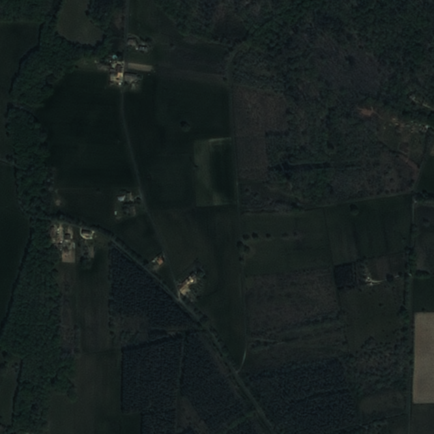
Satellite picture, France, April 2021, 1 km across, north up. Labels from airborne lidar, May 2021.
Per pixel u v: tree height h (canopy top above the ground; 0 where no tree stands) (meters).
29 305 16
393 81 17
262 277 0
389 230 0
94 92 0
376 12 14
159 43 0
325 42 13
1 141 0
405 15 14
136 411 17
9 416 0
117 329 8
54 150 0
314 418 17
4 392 0
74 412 0
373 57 6
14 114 21
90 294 0
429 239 0
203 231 0
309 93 15
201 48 0
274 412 15
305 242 0
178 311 15
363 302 0
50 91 22
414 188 14
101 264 0
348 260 0
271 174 12
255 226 0
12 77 0
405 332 12
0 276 0
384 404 0
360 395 9
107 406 0
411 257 15
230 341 0
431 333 0
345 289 9
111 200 0
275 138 17
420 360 0
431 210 0
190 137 0
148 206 0
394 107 19
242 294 0
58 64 21
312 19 15
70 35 0
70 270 0
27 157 16
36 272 12
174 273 0
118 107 0
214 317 0
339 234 0
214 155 0
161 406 16
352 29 14
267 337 7
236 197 0
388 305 0
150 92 0
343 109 8
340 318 12
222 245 0
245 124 6
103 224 0
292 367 11
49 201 12
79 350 11
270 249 0
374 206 0
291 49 23
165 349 16
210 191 0
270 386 14
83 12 0
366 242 0
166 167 0
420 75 13
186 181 0
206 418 16
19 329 20
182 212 0
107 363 0
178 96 0
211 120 0
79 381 0
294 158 21
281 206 16
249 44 15
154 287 16
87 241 0
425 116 18
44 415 13
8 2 21
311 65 18
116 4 17
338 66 13
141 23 0
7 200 0
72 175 0
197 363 17
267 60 13
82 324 0
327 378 15
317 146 22
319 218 0
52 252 18
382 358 12
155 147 0
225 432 16
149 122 0
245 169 6
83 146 0
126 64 0
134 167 0
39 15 18
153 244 0
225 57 12
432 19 14
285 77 14
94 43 0
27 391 22
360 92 12
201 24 17
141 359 18
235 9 7
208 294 0
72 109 0
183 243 0
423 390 0
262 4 14
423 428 0
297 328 12
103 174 0
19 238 0
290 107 11
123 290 17
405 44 11
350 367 12
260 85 13
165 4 19
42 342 20
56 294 22
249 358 0
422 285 0
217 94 0
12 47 0
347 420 17
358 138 12
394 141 0
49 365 20
